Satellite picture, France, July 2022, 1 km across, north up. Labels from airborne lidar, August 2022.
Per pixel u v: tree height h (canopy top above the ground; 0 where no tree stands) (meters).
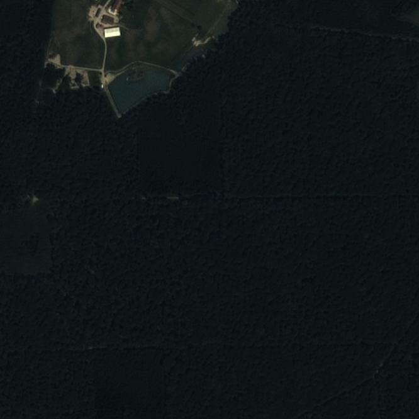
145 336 21
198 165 7
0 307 19
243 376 24
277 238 20
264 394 21
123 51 0
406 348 19
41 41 31
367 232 27
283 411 21
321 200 16
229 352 24
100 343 12
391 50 20
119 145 25
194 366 20
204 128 21
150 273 26
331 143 19
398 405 25
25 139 23
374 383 17
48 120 21
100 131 19
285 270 21
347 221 24
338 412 21
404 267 20
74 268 21
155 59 0
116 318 27
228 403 23
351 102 26
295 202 22
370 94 21
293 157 22
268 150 27
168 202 12
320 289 25
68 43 0
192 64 21
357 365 21
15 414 26
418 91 22
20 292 21
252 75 20
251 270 23
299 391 21
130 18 0
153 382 7
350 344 20
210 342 20
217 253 26
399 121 24
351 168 18
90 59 0
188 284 26
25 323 24
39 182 19
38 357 22
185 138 7
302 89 20
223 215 27
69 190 18
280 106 22
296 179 23
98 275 23
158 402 10
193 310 21
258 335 27
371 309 22
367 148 22
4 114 12
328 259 23
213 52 16
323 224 23
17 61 28
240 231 24
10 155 22
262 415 20
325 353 20
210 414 22
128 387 9
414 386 25
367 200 25
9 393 23
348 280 24
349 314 25
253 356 24
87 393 20
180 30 0
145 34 0
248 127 22
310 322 23
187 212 26
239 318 21
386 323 20
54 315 25
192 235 28
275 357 21
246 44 24
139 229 27
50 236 0
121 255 21
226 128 17
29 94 26
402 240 23
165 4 0
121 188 24
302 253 24
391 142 22
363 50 23
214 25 0
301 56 21
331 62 19
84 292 20
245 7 17
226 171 20
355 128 21
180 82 21
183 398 20
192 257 24
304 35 20
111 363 15
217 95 12
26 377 20
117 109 0
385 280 20
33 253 9
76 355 22
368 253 28
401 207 19
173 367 19
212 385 24
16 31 20
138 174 15
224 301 22
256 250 27
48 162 20
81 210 20
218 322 21
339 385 21
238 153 28
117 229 24
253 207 27
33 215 0
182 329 26
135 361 17
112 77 0
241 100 22
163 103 12
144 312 26
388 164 24
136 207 21
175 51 0
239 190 21
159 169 7
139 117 14
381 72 25
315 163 24
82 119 25
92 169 21
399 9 17
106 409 10
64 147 21
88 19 0
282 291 22
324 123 18
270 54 22
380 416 12
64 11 0
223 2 0
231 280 22
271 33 22
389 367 25
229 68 16
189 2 0
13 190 20
